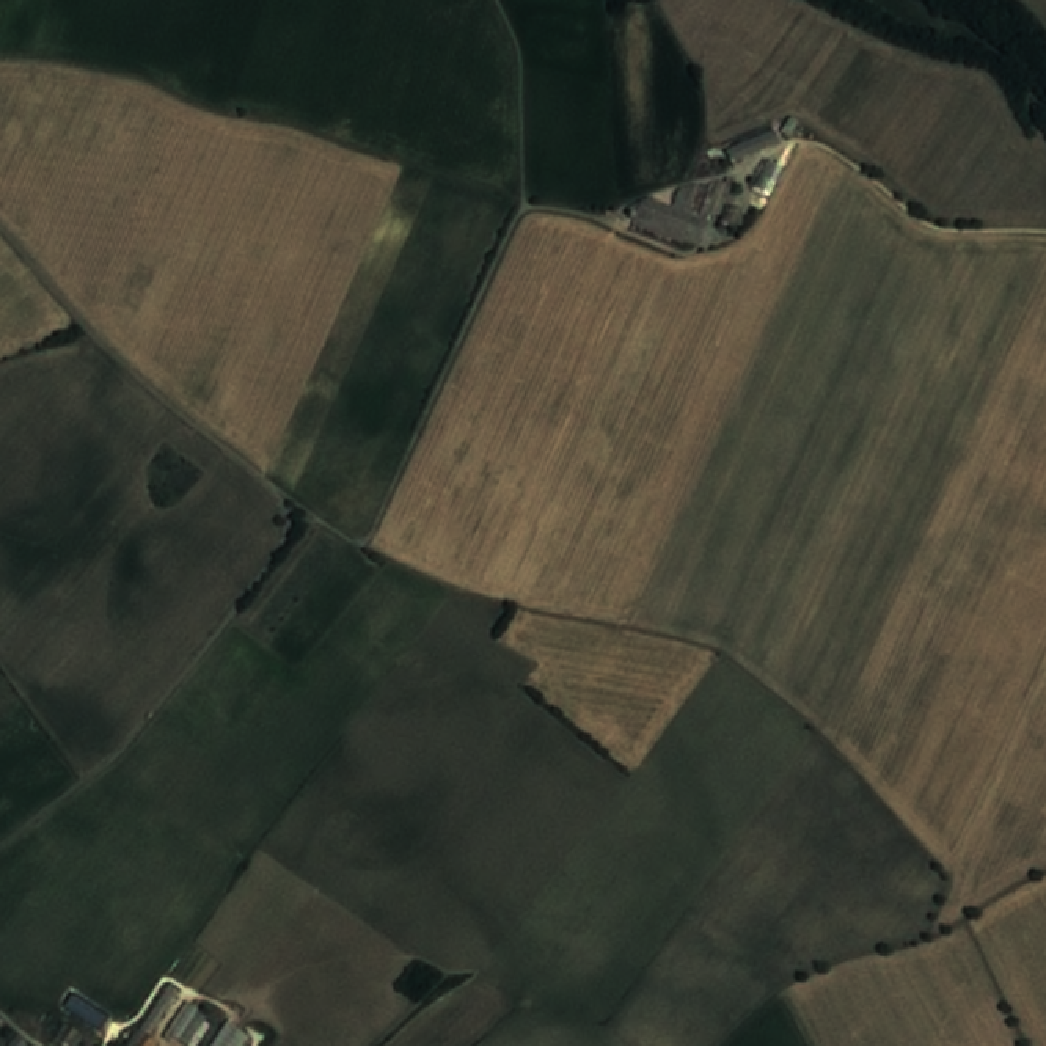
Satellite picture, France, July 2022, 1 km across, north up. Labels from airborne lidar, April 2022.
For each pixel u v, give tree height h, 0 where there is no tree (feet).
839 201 0
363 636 0
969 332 0
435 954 0
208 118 0
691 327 0
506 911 0
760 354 0
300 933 0
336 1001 0
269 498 0
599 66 0
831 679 0
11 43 0
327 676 0
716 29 0
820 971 36
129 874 0
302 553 0
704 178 0
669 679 0
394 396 0
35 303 0
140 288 0
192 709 0
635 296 0
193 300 0
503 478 0
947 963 0
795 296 0
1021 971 0
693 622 0
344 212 0
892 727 0
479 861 0
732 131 0
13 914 0
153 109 0
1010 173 0
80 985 0
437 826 0
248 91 0
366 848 0
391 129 0
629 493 0
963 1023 0
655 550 0
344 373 0
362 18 0
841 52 0
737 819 0
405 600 0
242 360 0
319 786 0
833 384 0
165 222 0
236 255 0
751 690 0
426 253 0
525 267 0
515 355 0
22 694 0
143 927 0
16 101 0
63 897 0
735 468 0
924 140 0
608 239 0
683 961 0
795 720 0
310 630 0
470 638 0
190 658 0
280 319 0
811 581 0
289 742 0
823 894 0
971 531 0
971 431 0
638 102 0
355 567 0
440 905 0
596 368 0
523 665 0
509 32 0
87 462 0
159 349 0
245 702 0
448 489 0
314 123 0
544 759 0
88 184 0
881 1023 0
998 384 0
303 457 0
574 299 0
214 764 0
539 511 0
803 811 0
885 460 0
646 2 41
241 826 0
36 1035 0
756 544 0
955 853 0
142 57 0
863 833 0
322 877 0
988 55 44
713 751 0
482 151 0
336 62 0
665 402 0
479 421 0
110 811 0
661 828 0
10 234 0
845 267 0
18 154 0
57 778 0
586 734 28
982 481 0
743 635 0
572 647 0
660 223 0
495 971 0
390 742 0
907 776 0
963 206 0
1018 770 0
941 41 43
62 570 0
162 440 0
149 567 0
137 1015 0
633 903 0
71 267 0
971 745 0
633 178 0
